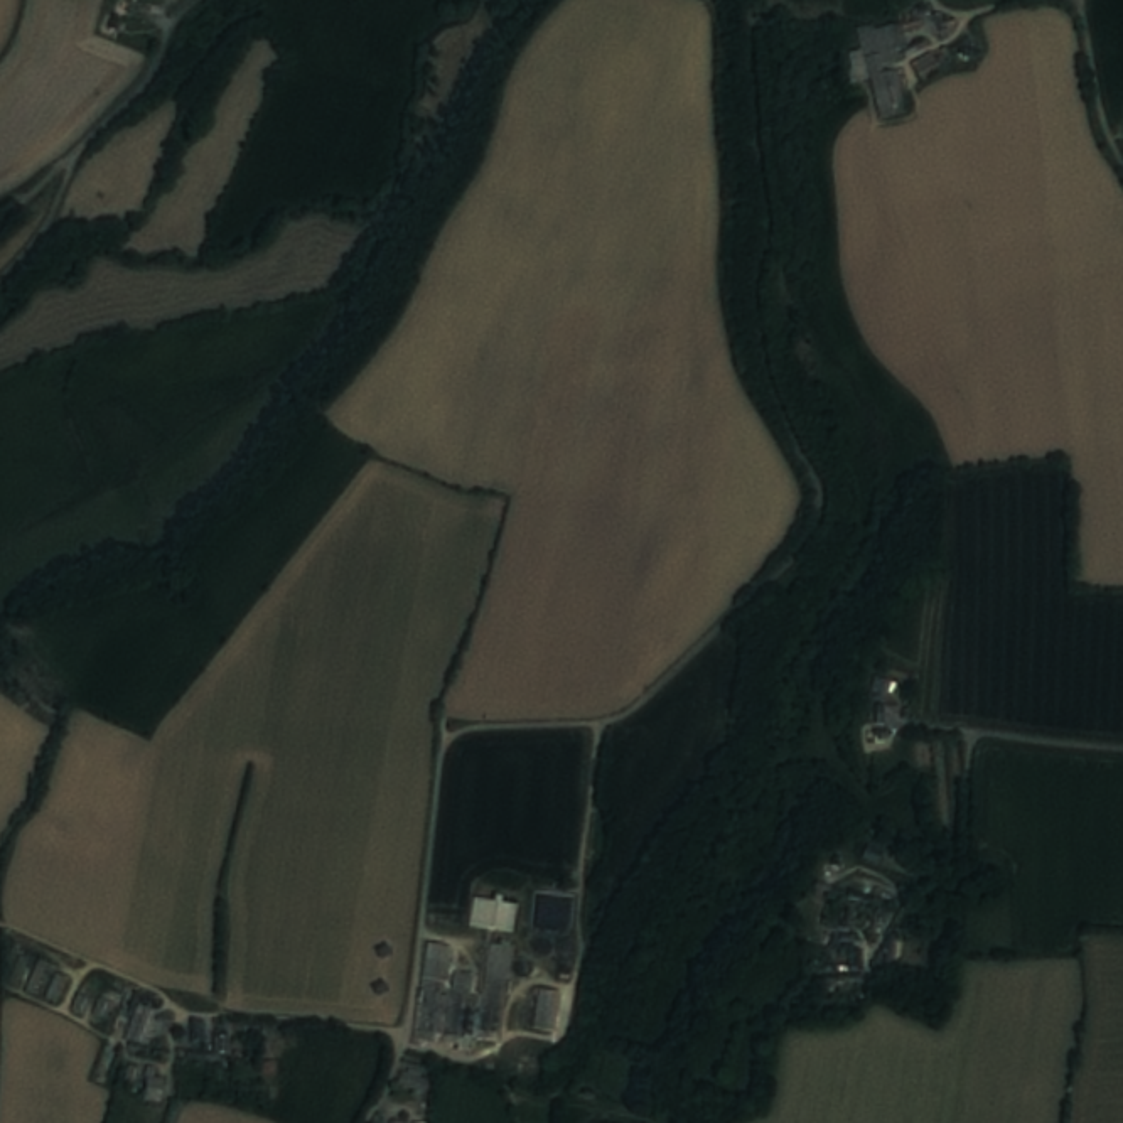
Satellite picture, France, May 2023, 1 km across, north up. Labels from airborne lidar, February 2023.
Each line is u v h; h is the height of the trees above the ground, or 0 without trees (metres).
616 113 0
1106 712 0
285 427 20
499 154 0
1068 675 0
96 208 0
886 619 18
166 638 0
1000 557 0
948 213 0
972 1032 0
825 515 10
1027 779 0
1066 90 0
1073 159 0
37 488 0
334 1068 0
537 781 0
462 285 0
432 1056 12
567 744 0
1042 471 0
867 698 10
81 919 0
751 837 10
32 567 0
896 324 0
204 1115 0
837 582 9
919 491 21
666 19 0
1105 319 0
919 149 0
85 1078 0
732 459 0
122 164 0
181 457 0
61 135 0
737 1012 14
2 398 0
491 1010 0
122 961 0
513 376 0
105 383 0
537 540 0
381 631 0
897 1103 0
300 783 0
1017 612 0
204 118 20
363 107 0
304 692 0
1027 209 0
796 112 10
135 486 0
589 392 0
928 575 17
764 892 19
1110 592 6
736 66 11
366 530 0
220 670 0
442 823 0
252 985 0
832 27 15
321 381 17
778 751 14
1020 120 0
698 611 0
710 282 0
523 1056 0
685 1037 15
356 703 0
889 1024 0
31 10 0
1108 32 0
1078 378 0
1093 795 0
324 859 0
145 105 13
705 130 0
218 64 16
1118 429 0
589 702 0
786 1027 9
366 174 0
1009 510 0
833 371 0
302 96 0
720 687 0
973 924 0
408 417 0
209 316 10
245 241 10
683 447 0
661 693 0
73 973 0
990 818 0
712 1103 15
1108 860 0
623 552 0
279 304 8
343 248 0
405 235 16
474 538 0
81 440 0
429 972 0
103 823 0
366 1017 0
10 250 0
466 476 0
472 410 0
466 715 0
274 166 0
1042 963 0
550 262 0
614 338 0
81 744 0
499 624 0
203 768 0
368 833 0
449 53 0
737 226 11
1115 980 0
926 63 0
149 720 0
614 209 0
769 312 16
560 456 0
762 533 0
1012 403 0
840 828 18
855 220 0
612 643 0
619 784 0
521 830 0
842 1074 0
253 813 0
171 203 0
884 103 0
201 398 0
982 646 0
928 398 0
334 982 0
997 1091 0
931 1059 0
